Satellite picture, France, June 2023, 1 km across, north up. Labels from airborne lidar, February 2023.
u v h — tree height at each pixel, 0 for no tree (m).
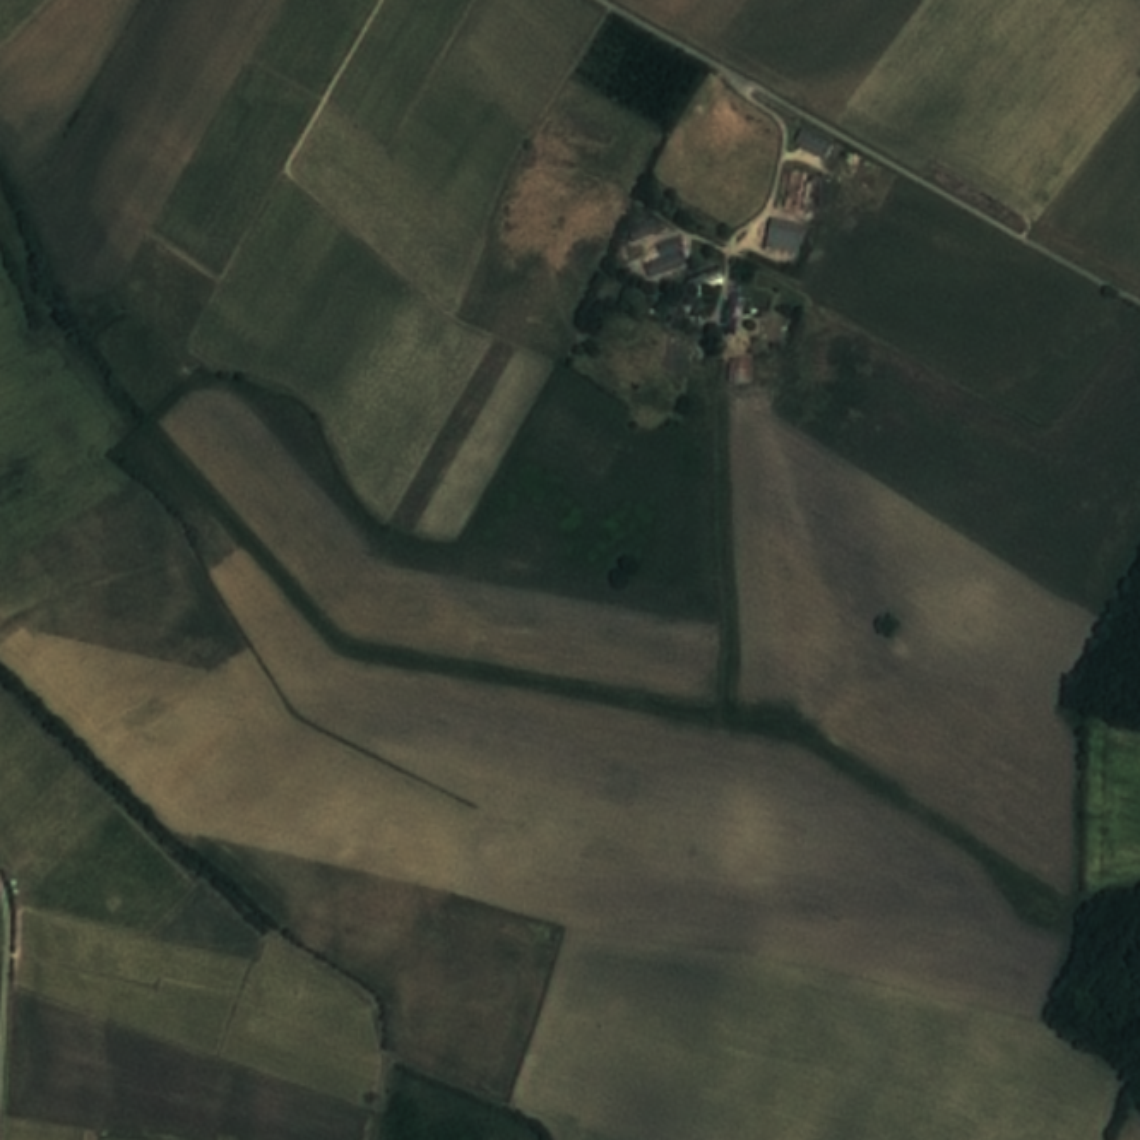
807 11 0
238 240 0
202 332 0
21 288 6
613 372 0
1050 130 0
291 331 0
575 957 0
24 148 0
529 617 0
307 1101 0
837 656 0
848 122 0
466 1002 0
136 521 0
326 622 0
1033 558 0
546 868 0
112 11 0
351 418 0
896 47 0
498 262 0
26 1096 0
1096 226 0
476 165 0
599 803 0
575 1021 0
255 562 0
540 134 0
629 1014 0
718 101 0
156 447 0
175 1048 0
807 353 0
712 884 0
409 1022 0
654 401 0
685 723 0
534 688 0
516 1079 0
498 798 0
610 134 0
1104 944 18
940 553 0
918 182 0
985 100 0
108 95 0
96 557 0
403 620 0
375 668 0
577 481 0
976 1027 0
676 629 0
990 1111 0
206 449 0
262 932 7
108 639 0
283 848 0
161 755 0
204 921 0
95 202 0
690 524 0
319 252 0
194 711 0
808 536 0
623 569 14
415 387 0
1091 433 0
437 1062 0
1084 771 9
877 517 0
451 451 0
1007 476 0
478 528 0
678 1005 0
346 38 0
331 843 0
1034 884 0
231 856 0
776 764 0
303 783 0
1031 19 0
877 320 0
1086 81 0
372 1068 0
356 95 0
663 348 0
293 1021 0
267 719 0
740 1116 0
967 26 0
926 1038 0
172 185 0
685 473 0
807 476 0
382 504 0
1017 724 0
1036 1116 0
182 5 0
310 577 0
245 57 0
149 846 0
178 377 0
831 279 0
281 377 0
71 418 0
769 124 0
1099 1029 20
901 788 0
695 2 0
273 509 0
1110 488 0
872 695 0
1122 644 17
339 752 0
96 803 0
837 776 0
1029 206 0
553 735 0
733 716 0
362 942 0
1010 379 0
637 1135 0
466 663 0
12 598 0
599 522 0
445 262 0
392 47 0
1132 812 0
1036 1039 0
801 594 0
